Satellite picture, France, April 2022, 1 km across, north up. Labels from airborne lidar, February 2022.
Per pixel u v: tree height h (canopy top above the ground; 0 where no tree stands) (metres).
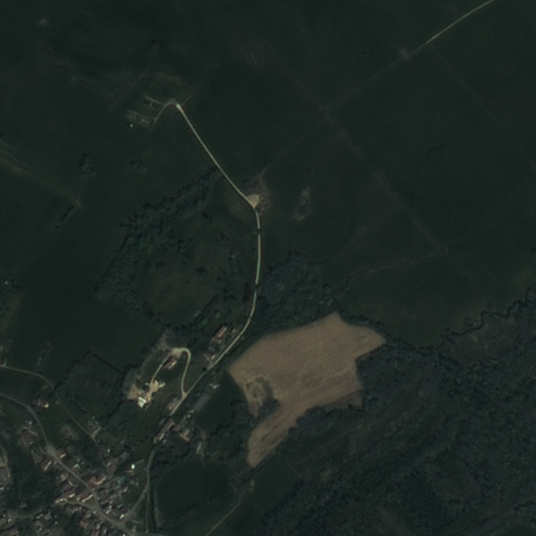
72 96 0
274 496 0
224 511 0
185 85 0
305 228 0
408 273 0
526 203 0
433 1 0
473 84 0
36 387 0
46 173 0
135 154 0
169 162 0
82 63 0
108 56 0
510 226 0
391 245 0
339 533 18
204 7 0
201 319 11
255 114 0
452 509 24
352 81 0
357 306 0
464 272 0
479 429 27
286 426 0
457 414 22
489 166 0
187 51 0
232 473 0
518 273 0
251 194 0
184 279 0
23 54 0
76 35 0
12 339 0
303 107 0
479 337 0
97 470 17
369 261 0
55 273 0
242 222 0
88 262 0
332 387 0
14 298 0
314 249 0
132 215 0
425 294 0
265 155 0
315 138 0
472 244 0
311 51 0
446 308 0
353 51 0
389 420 0
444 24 0
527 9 0
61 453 0
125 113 0
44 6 0
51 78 0
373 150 0
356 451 0
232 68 0
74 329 0
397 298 0
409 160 0
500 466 25
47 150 0
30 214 0
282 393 0
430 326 0
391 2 0
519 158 0
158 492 0
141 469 0
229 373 0
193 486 0
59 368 0
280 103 0
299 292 19
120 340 0
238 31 0
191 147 0
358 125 0
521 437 18
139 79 0
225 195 0
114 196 0
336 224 0
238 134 0
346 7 0
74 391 0
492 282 0
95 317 0
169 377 0
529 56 0
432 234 0
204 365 0
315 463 0
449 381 20
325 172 0
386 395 26
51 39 0
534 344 21
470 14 0
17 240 0
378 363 17
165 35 0
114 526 0
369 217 0
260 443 0
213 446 17
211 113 0
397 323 0
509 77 0
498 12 0
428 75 0
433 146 0
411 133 0
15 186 0
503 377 27
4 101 0
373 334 0
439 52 0
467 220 0
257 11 0
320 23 0
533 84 0
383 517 0
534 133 0
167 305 0
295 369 0
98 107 0
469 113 0
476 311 0
